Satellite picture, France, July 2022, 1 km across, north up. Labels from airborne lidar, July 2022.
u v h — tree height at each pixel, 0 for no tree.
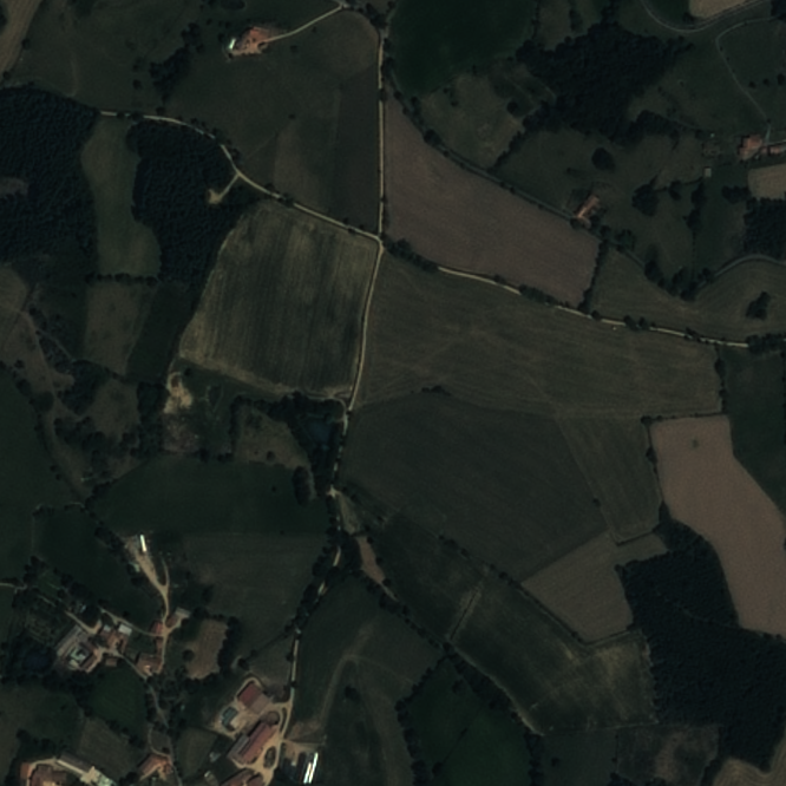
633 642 0
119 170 0
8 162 21
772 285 0
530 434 0
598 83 26
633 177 0
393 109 0
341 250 0
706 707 16
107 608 12
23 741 12
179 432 0
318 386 0
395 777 0
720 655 15
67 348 0
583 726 0
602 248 10
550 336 0
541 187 0
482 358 0
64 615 8
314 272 0
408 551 0
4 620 0
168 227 18
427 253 0
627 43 27
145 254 0
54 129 27
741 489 0
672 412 0
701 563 15
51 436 0
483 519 0
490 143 0
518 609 0
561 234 0
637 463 0
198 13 0
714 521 0
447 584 0
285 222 0
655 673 10
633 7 0
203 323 0
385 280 0
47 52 0
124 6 0
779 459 0
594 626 0
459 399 0
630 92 22
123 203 0
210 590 6
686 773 0
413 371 0
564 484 0
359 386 0
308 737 0
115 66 0
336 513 16
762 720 17
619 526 0
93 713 15
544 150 0
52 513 7
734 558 0
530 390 0
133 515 0
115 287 0
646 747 0
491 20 0
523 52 9
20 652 21
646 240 0
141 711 0
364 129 0
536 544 0
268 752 0
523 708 0
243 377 0
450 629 0
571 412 0
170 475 0
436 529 0
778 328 0
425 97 0
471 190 0
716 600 15
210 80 0
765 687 15
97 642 10
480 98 0
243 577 0
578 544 0
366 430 0
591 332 0
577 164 0
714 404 0
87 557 0
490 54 0
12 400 0
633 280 0
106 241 0
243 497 0
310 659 0
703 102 0
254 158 0
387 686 0
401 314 0
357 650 0
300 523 0
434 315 0
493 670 0
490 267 0
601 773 0
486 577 0
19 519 0
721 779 0
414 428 0
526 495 0
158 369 0
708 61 0
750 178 0
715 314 0
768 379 0
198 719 0
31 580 15
